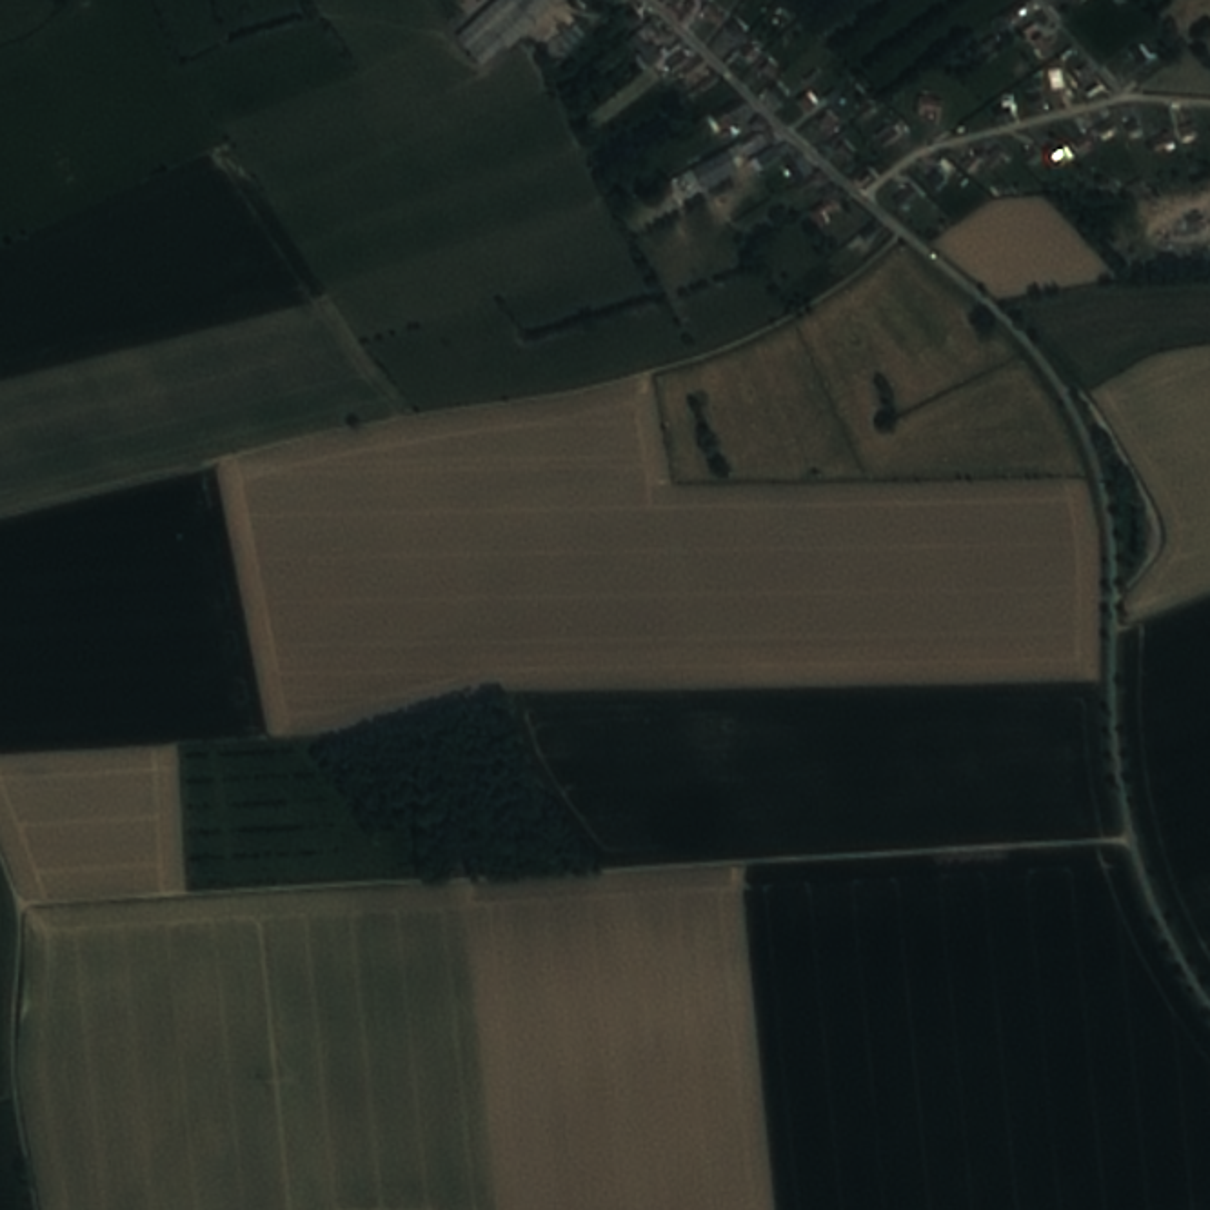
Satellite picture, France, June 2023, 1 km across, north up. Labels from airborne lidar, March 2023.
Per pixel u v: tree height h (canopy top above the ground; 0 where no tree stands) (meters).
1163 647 0
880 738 0
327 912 0
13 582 0
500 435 0
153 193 0
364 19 0
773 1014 0
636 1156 0
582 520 0
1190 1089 0
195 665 0
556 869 12
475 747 24
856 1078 0
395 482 0
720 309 0
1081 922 0
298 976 0
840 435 0
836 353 0
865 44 0
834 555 0
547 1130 0
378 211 0
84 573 0
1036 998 0
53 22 0
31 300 0
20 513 0
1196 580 0
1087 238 12
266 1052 0
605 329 0
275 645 0
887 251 0
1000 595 0
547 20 0
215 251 0
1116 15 0
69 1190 0
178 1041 0
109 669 0
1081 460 0
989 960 0
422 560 0
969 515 0
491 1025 0
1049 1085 0
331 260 0
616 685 0
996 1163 0
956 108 0
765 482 0
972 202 0
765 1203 0
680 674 0
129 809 0
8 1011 0
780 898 0
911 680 0
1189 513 0
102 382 0
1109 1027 0
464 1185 0
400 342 0
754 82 0
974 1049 0
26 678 0
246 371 0
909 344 0
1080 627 0
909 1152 0
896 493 0
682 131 24
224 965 0
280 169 0
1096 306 0
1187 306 0
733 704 0
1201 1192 0
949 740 0
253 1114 0
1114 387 0
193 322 0
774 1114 0
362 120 0
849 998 0
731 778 0
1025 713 0
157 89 0
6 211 0
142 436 0
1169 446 0
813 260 0
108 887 0
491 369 0
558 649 0
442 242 0
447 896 0
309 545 0
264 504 0
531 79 0
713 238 0
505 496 0
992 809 0
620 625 0
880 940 0
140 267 0
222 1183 0
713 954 0
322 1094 0
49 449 0
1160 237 0
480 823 26
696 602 0
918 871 0
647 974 0
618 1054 0
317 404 0
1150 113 0
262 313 0
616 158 21
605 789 0
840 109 0
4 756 0
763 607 0
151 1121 0
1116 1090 0
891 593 0
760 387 0
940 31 0
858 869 0
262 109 0
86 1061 0
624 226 8
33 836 0
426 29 0
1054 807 0
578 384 0
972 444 0
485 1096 0
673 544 0
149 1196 0
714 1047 0
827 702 0
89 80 0
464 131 0
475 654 0
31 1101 0
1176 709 0
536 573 0
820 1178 0
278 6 0
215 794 0
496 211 0
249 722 0
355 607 0
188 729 0
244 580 0
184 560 0
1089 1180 0
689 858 0
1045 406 0
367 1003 0
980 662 0
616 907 0
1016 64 0
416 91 0
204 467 0
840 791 0
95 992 0
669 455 0
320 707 0
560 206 0
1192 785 0
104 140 0
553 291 0
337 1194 0
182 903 0
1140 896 0
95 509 0
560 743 0
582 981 0
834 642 0
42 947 0
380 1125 0
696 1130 0
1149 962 0
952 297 0
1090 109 0
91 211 0
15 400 0
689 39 0
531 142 0
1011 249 0
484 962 0
